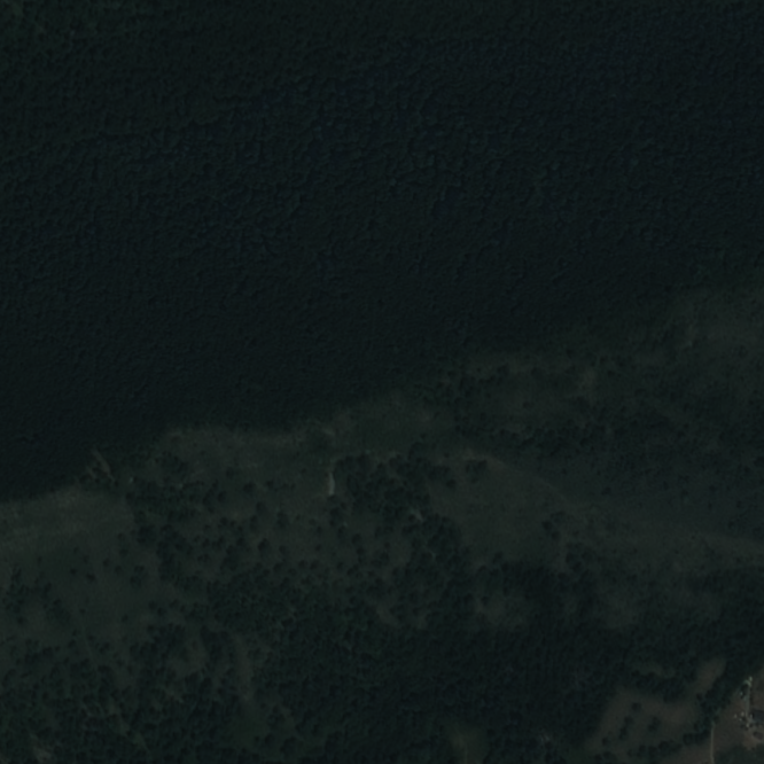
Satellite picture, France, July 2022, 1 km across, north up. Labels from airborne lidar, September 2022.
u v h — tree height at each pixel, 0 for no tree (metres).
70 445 21
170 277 26
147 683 9
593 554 12
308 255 30
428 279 32
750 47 30
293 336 24
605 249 28
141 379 28
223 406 17
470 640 10
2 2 13
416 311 25
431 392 12
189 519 11
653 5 26
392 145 37
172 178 25
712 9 23
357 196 32
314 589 8
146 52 22
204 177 31
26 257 23
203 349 24
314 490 0
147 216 27
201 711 23
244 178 31
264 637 13
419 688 24
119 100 21
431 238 32
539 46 28
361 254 32
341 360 18
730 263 16
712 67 25
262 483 0
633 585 11
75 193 24
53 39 7
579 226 30
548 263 26
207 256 28
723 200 21
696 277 18
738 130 28
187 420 11
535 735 7
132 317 26
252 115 29
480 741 0
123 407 25
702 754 0
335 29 24
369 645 20
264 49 32
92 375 26
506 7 19
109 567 10
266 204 34
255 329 22
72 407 25
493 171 34
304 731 21
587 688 18
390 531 10
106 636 0
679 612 10
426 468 14
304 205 29
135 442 12
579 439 13
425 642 18
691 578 12
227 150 30
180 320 27
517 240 31
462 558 13
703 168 34
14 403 31
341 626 20
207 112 27
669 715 0
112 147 31
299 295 32
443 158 37
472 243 31
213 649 18
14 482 22
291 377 25
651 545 0
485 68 30
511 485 0
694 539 10
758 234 16
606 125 26
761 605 16
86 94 19
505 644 24
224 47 20
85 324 28
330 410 12
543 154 32
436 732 23
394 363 16
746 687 6
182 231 24
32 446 29
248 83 16
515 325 21
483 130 33
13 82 20
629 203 29
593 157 37
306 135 35
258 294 26
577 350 6
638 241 26
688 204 22
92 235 24
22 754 15
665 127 28
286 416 15
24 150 31
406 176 33
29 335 32
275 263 30
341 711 23
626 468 10
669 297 16
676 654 18
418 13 19
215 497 15
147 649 16
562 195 34
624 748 0
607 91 27
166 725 19
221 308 26
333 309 29
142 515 11
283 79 25
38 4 11
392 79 31
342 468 17
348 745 24
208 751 23
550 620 14
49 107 15
